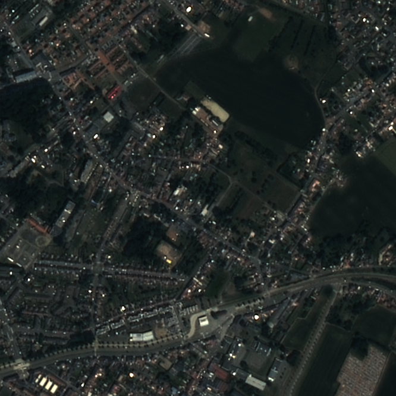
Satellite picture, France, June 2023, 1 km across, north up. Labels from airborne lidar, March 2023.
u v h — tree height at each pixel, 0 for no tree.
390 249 6
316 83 0
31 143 0
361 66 15
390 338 0
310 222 0
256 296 0
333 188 0
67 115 0
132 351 0
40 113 9
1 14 0
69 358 0
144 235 17
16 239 0
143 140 0
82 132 0
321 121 0
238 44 0
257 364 0
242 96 0
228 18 0
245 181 0
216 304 0
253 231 0
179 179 14
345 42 0
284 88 0
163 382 6
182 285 0
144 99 0
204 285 0
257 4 0
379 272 0
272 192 0
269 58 0
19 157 0
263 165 0
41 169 0
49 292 0
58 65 0
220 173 0
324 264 9
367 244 9
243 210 0
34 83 16
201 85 0
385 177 0
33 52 0
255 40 0
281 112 0
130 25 0
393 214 0
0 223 8
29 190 14
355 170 0
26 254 0
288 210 0
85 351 0
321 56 0
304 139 0
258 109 0
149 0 0
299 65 0
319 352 0
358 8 0
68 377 0
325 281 0
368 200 0
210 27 0
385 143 0
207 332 0
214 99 0
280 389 0
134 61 0
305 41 0
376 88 0
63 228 15
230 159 8
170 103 0
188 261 12
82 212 0
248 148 0
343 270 0
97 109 13
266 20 0
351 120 0
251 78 0
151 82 0
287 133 0
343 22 0
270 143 0
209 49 0
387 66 11
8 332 0
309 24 0
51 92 6
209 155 0
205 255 0
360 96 0
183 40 0
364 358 0
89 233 0
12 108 24
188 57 0
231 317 0
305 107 0
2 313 0
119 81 0
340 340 0
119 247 0
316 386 0
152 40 14
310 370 0
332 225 0
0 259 0
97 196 10
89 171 0
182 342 0
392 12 16
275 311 0
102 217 0
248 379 0
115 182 0
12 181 18
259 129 0
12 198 9
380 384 0
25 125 20
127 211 0
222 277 0
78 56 0
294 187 0
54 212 11
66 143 13
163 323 0
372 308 0
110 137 15
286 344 0
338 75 0
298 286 0
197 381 0
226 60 0
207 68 0
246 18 0
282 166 8
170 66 0
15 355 0
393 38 0
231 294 0
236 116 0
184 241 0
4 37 7
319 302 0
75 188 0
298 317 0
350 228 0
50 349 12
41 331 0
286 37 0
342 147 12
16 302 0
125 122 14
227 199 0
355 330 0
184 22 0
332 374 0
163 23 21
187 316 0
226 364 0
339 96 0
